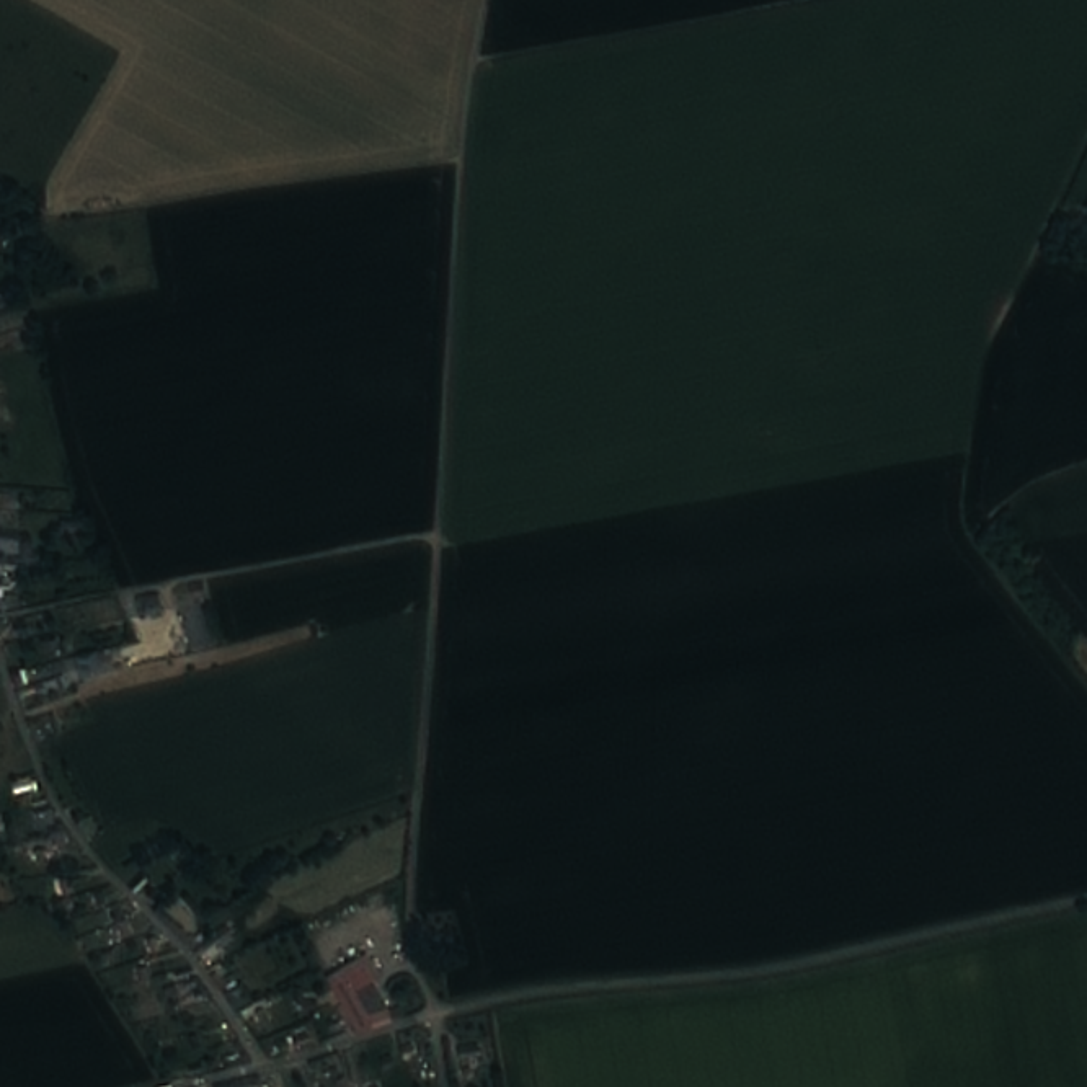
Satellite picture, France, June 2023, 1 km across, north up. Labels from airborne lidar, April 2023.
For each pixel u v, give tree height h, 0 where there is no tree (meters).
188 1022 6
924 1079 0
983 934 0
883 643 0
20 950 0
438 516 0
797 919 0
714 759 0
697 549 0
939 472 0
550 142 0
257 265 0
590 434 0
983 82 0
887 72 0
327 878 0
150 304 0
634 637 0
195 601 0
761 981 0
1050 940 0
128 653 0
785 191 0
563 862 0
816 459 0
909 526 0
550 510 0
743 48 0
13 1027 0
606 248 0
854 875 0
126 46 0
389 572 0
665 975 0
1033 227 0
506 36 0
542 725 0
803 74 0
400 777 0
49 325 0
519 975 0
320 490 0
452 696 0
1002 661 0
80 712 6
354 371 0
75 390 0
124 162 0
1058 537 0
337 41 0
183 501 0
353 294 0
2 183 7
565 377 0
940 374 0
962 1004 0
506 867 0
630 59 0
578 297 0
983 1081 0
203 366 0
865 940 0
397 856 0
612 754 0
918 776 0
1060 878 0
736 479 0
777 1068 0
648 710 0
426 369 0
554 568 0
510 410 0
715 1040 0
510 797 0
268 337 0
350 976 0
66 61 0
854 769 0
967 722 0
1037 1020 0
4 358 0
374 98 0
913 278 0
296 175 0
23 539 0
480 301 0
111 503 0
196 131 0
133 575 0
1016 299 0
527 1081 0
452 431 0
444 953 24
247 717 0
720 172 0
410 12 0
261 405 0
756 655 0
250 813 0
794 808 0
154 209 0
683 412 0
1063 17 0
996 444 0
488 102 0
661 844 0
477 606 0
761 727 0
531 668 0
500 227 0
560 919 0
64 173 0
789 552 0
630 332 0
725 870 0
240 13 0
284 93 0
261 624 0
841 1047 0
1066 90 0
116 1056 0
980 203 0
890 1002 0
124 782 0
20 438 0
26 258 18
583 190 0
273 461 0
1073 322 0
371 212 0
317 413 0
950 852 0
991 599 0
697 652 0
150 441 0
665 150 0
